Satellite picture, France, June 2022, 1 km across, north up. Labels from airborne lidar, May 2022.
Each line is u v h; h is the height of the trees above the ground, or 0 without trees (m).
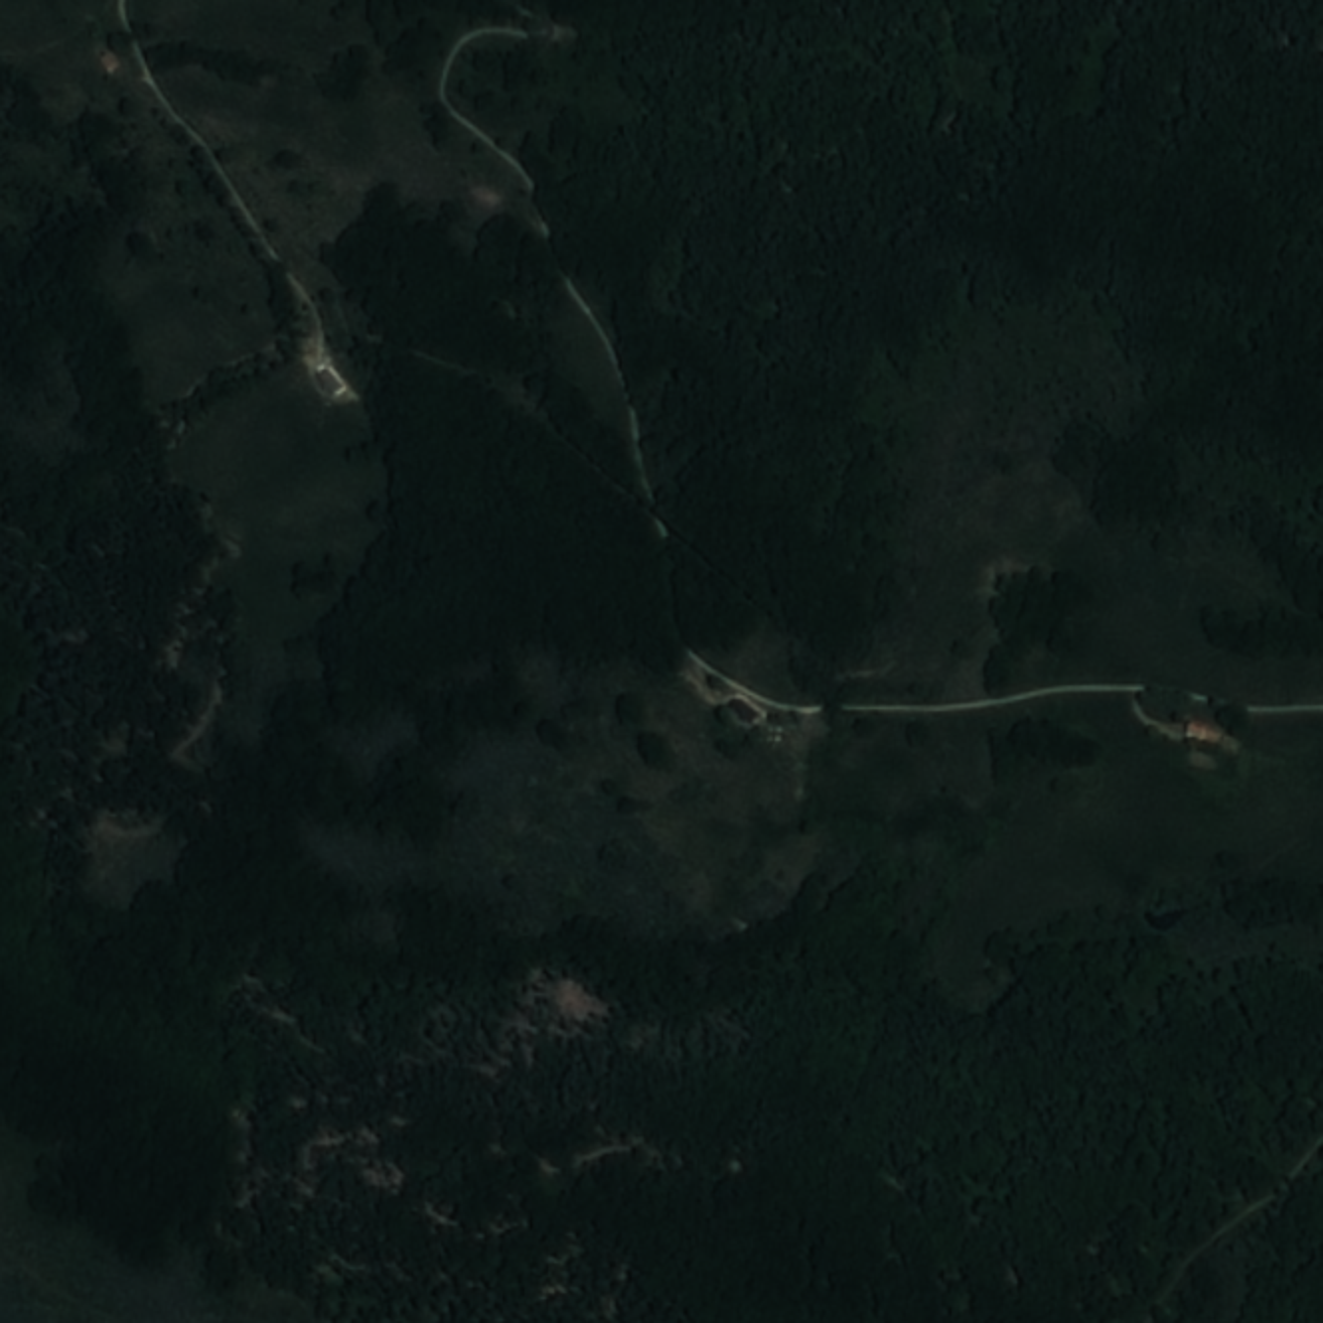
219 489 0
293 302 15
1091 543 0
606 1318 9
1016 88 10
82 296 15
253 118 0
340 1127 14
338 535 0
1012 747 12
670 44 17
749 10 16
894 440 10
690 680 0
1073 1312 8
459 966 17
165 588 18
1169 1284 9
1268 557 9
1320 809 0
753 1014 16
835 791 0
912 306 16
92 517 21
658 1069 14
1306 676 0
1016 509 0
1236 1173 13
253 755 11
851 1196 15
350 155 0
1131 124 19
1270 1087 13
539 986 0
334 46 0
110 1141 17
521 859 0
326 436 0
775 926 10
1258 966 11
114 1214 14
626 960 11
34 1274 0
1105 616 0
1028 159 18
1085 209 17
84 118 9
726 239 20
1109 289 9
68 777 20
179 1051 19
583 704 7
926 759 0
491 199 0
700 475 10
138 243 16
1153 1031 12
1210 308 15
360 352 15
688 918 0
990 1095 15
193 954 9
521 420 9
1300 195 17
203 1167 18
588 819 0
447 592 19
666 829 0
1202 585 0
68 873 18
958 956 0
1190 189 17
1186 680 0
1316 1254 13
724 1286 16
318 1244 21
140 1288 0
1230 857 9
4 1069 14
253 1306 0
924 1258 15
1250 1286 9
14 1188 0
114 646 15
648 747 17
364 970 9
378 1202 9
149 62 10
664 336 15
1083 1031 19
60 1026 19
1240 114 19
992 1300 14
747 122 9
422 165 0
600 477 13
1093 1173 13
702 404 15
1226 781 0
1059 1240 14
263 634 0
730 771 0
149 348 0
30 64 0
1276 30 25
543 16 10
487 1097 15
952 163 17
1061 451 6
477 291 15
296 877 12
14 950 13
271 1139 11
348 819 11
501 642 18
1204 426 12
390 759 8
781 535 14
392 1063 11
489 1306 22
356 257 16
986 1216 15
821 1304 15
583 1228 15
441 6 12
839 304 15
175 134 13
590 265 13
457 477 23
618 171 13
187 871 14
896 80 8
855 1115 16
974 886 0
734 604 13
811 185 13
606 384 0
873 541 9
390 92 0
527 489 19
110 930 19
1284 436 18
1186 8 24
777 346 15
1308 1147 8
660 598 14
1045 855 0
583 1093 11
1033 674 0
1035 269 13
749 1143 17
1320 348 16
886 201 13
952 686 0
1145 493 14
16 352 9
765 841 0
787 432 15
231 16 0
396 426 17
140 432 13
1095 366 0
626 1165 12
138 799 21
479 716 14
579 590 21
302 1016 15
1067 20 14
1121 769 0
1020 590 15
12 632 23
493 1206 16
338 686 20
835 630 13
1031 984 20
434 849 7
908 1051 14
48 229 15
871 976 18
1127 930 7
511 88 9
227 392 13
